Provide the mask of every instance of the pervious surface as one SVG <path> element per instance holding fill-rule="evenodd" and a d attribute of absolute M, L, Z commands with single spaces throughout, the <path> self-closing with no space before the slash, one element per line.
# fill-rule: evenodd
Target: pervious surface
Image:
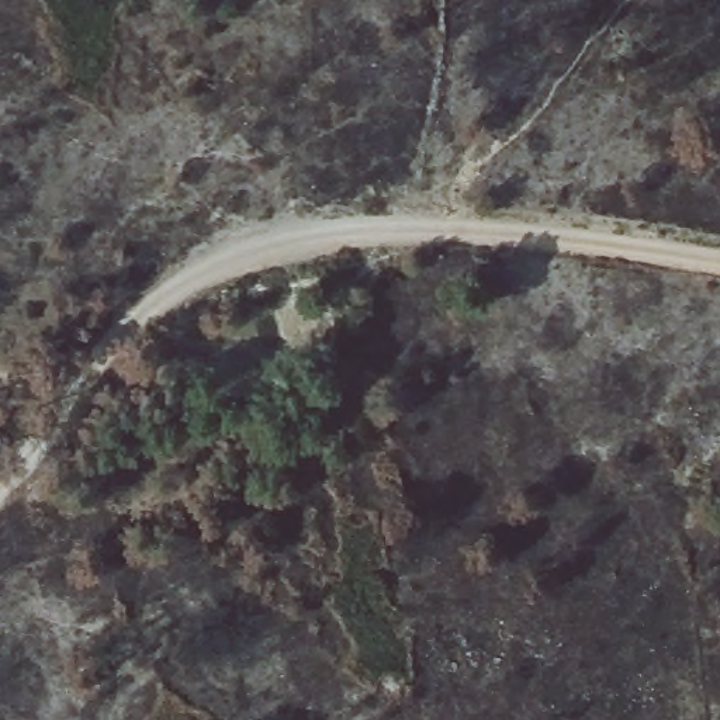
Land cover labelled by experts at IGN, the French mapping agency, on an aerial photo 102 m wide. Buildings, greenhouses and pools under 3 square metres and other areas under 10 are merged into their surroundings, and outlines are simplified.
<path fill-rule="evenodd" d="M 37 470 L 48 447 L 45 442 L 25 439 L 20 444 L 20 456 L 25 461 L 25 470 Z"/>
<path fill-rule="evenodd" d="M 152 318 L 166 315 L 169 309 L 197 298 L 205 287 L 214 287 L 219 281 L 231 281 L 264 267 L 332 256 L 340 248 L 360 248 L 425 245 L 433 239 L 458 239 L 470 245 L 518 245 L 526 233 L 532 233 L 554 236 L 557 250 L 568 253 L 622 256 L 633 262 L 706 273 L 720 270 L 720 250 L 669 242 L 650 228 L 622 236 L 613 231 L 613 217 L 579 211 L 571 205 L 565 205 L 560 214 L 548 214 L 540 222 L 481 217 L 464 219 L 428 214 L 363 214 L 340 219 L 276 214 L 267 222 L 248 219 L 242 228 L 217 231 L 211 239 L 191 248 L 188 259 L 177 267 L 169 267 L 158 278 L 158 284 L 146 290 L 146 295 L 121 321 L 149 323 Z"/>

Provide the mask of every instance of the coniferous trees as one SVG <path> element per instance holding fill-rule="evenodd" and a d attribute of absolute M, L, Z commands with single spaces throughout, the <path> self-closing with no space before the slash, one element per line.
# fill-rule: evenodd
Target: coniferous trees
<path fill-rule="evenodd" d="M 301 495 L 304 487 L 323 484 L 326 470 L 338 473 L 340 458 L 332 447 L 315 442 L 318 425 L 329 408 L 332 394 L 332 352 L 326 346 L 326 338 L 312 332 L 307 346 L 287 346 L 278 338 L 276 309 L 284 304 L 290 281 L 295 278 L 315 276 L 321 281 L 329 267 L 360 267 L 366 256 L 360 248 L 340 248 L 332 256 L 264 267 L 231 281 L 219 281 L 214 287 L 205 287 L 197 298 L 169 309 L 166 315 L 152 318 L 149 323 L 121 321 L 110 332 L 115 349 L 110 349 L 101 360 L 87 363 L 76 377 L 70 377 L 68 371 L 45 374 L 51 368 L 48 343 L 42 340 L 42 332 L 28 332 L 11 352 L 11 363 L 6 366 L 8 380 L 0 380 L 0 509 L 6 506 L 6 501 L 45 501 L 56 506 L 65 518 L 76 518 L 107 509 L 118 518 L 101 537 L 93 540 L 90 571 L 96 577 L 104 577 L 107 571 L 124 563 L 146 568 L 177 568 L 197 554 L 217 554 L 219 568 L 228 568 L 236 577 L 236 585 L 242 591 L 256 593 L 264 608 L 278 610 L 281 616 L 295 622 L 298 588 L 287 577 L 259 579 L 262 554 L 256 551 L 253 540 L 248 540 L 248 532 L 259 526 L 259 520 L 270 509 L 290 506 L 290 489 Z M 25 461 L 20 456 L 20 444 L 25 439 L 45 442 L 48 447 L 37 470 L 25 470 Z"/>
<path fill-rule="evenodd" d="M 720 495 L 712 503 L 698 498 L 683 518 L 686 529 L 703 529 L 709 534 L 720 532 Z"/>
<path fill-rule="evenodd" d="M 473 307 L 467 301 L 467 293 L 473 290 L 475 278 L 450 273 L 436 287 L 436 309 L 447 315 L 453 323 L 489 321 L 489 307 Z"/>
<path fill-rule="evenodd" d="M 703 146 L 692 118 L 683 110 L 675 110 L 672 158 L 681 166 L 700 169 L 717 155 L 717 149 Z"/>
<path fill-rule="evenodd" d="M 343 307 L 335 309 L 335 321 L 357 326 L 368 315 L 368 307 L 352 304 L 352 298 L 346 298 Z"/>
<path fill-rule="evenodd" d="M 323 312 L 323 307 L 318 307 L 315 293 L 307 287 L 298 298 L 298 312 L 304 318 L 315 318 Z"/>
<path fill-rule="evenodd" d="M 391 377 L 380 377 L 368 388 L 363 408 L 377 428 L 383 428 L 394 422 L 394 411 L 388 405 Z"/>

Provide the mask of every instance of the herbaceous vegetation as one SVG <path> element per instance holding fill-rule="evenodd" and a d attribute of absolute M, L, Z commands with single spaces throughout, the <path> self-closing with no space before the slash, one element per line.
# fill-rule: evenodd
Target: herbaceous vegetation
<path fill-rule="evenodd" d="M 520 484 L 515 484 L 498 501 L 495 515 L 503 523 L 526 523 L 540 518 L 543 509 L 529 509 Z"/>
<path fill-rule="evenodd" d="M 399 501 L 388 509 L 385 520 L 394 526 L 397 540 L 405 540 L 413 515 L 405 506 L 405 501 Z"/>
<path fill-rule="evenodd" d="M 236 17 L 245 17 L 256 0 L 197 0 L 197 11 L 203 14 L 208 37 L 225 31 Z"/>
<path fill-rule="evenodd" d="M 338 574 L 332 585 L 321 585 L 321 593 L 338 602 L 338 610 L 343 613 L 349 630 L 357 638 L 360 678 L 394 678 L 397 683 L 411 683 L 411 636 L 402 641 L 397 638 L 397 630 L 402 627 L 405 616 L 394 613 L 383 585 L 377 582 L 383 571 L 383 534 L 374 534 L 368 520 L 363 520 L 340 529 L 346 540 L 343 574 Z"/>
<path fill-rule="evenodd" d="M 487 560 L 487 543 L 475 543 L 473 548 L 464 548 L 467 571 L 495 574 L 495 565 Z"/>
<path fill-rule="evenodd" d="M 152 0 L 37 0 L 42 6 L 37 17 L 37 37 L 39 45 L 48 48 L 48 53 L 53 56 L 53 82 L 62 84 L 62 79 L 68 76 L 73 82 L 73 93 L 90 101 L 96 98 L 98 79 L 110 76 L 115 65 L 113 28 L 118 23 L 132 25 L 138 14 L 152 8 Z"/>

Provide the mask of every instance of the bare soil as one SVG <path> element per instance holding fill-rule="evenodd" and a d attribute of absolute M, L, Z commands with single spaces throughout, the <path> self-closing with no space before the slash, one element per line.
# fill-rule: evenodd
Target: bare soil
<path fill-rule="evenodd" d="M 115 65 L 110 76 L 98 79 L 96 98 L 90 101 L 73 93 L 73 82 L 68 76 L 62 79 L 62 84 L 53 82 L 53 56 L 48 53 L 48 48 L 39 45 L 37 37 L 37 17 L 42 6 L 37 0 L 0 0 L 0 380 L 8 380 L 6 366 L 11 363 L 11 352 L 28 332 L 42 332 L 42 340 L 48 343 L 51 368 L 45 374 L 68 371 L 70 377 L 76 377 L 87 363 L 101 360 L 110 349 L 115 349 L 110 332 L 121 321 L 146 295 L 146 290 L 158 284 L 158 278 L 169 267 L 177 267 L 188 259 L 191 248 L 211 239 L 217 231 L 242 228 L 248 219 L 267 222 L 276 214 L 340 219 L 363 214 L 428 214 L 464 219 L 481 217 L 540 222 L 548 214 L 560 214 L 565 205 L 571 205 L 579 211 L 613 217 L 613 231 L 622 236 L 650 228 L 669 242 L 720 250 L 720 0 L 256 0 L 245 17 L 236 17 L 225 31 L 208 37 L 203 14 L 197 11 L 197 0 L 152 0 L 152 8 L 138 14 L 132 25 L 118 23 L 113 28 Z M 681 166 L 672 158 L 675 110 L 683 110 L 692 118 L 703 146 L 717 149 L 717 155 L 700 169 Z"/>
<path fill-rule="evenodd" d="M 104 577 L 96 577 L 90 571 L 93 540 L 101 537 L 118 518 L 107 509 L 76 518 L 65 518 L 56 506 L 45 501 L 6 501 L 6 506 L 0 509 L 0 720 L 720 720 L 720 532 L 709 534 L 703 529 L 686 529 L 683 518 L 698 498 L 712 503 L 720 495 L 720 270 L 706 273 L 633 262 L 622 256 L 568 253 L 557 250 L 554 236 L 532 233 L 526 233 L 518 245 L 470 245 L 458 239 L 433 239 L 425 245 L 360 248 L 366 256 L 360 267 L 329 267 L 321 281 L 315 276 L 295 278 L 290 281 L 284 304 L 276 309 L 278 338 L 287 346 L 307 346 L 312 332 L 326 338 L 326 346 L 332 352 L 332 394 L 329 408 L 318 425 L 315 442 L 332 447 L 340 458 L 338 473 L 326 470 L 323 484 L 304 487 L 301 495 L 290 489 L 290 506 L 270 509 L 259 520 L 259 526 L 248 532 L 248 540 L 253 540 L 256 551 L 262 554 L 259 579 L 287 577 L 298 588 L 295 622 L 281 616 L 278 610 L 264 608 L 256 593 L 242 591 L 236 585 L 236 577 L 228 568 L 219 568 L 217 554 L 197 554 L 177 568 L 146 568 L 124 563 L 107 571 Z M 467 301 L 473 307 L 489 307 L 489 321 L 453 323 L 447 315 L 436 309 L 436 287 L 450 273 L 475 278 L 473 290 L 467 293 Z M 323 307 L 323 312 L 315 318 L 304 318 L 298 312 L 298 298 L 307 287 L 315 293 L 318 307 Z M 343 307 L 346 298 L 352 298 L 352 304 L 368 307 L 368 315 L 357 326 L 335 321 L 335 309 Z M 377 428 L 363 408 L 368 388 L 380 377 L 391 377 L 388 405 L 394 411 L 394 422 L 383 428 Z M 520 484 L 529 509 L 543 509 L 540 518 L 526 523 L 503 523 L 495 515 L 498 501 L 515 484 Z M 399 501 L 405 501 L 405 506 L 413 515 L 405 540 L 397 540 L 394 526 L 385 520 L 388 509 Z M 332 585 L 338 574 L 343 574 L 346 540 L 340 529 L 363 520 L 368 520 L 374 534 L 383 534 L 383 571 L 377 582 L 383 585 L 394 613 L 405 616 L 402 627 L 397 630 L 397 638 L 402 641 L 411 636 L 411 683 L 397 683 L 394 678 L 360 678 L 357 638 L 349 630 L 343 613 L 338 610 L 338 602 L 321 593 L 321 585 Z M 495 574 L 467 571 L 464 548 L 473 548 L 475 543 L 487 543 L 487 560 L 495 565 Z"/>

